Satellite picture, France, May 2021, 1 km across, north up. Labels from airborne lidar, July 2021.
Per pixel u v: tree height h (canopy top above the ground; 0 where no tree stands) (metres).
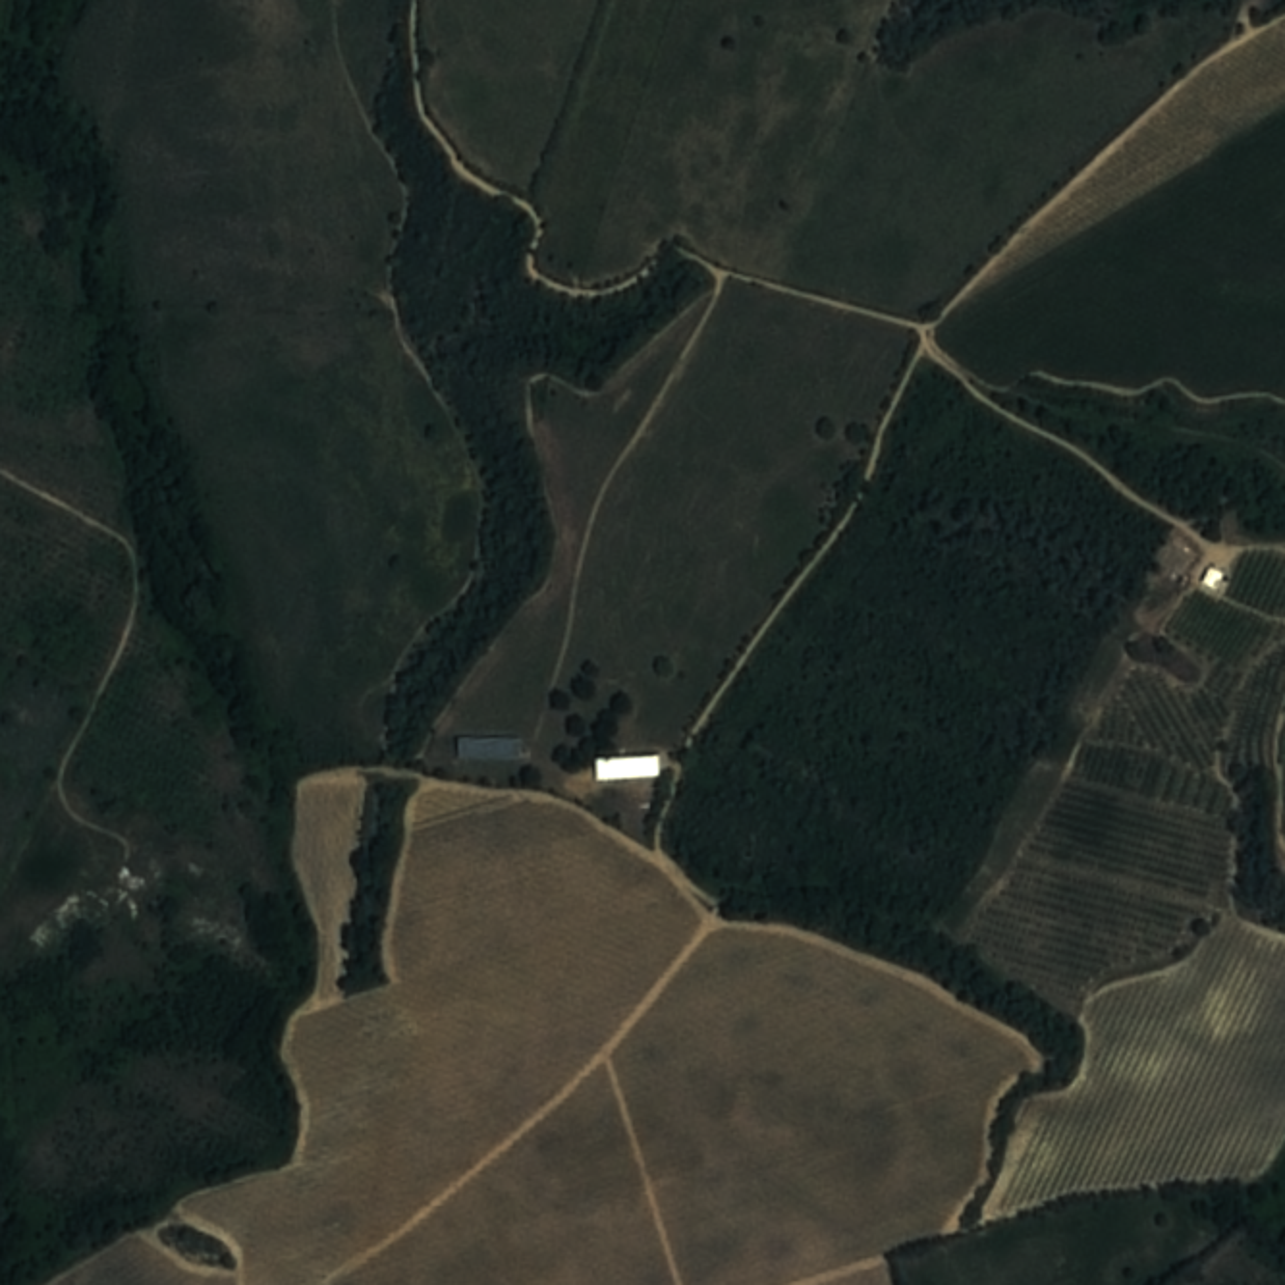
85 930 10
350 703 0
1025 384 8
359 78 0
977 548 16
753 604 0
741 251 0
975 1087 0
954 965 12
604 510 0
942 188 0
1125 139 0
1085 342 0
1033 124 0
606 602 0
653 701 0
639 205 0
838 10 0
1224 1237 12
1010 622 6
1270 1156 0
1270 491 12
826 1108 0
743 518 0
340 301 0
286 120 0
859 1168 0
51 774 7
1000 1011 9
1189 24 0
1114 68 0
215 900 0
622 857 0
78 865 0
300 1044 0
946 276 0
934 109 0
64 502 0
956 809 9
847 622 6
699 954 0
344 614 0
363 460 0
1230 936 0
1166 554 0
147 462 15
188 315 0
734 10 0
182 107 0
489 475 10
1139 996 0
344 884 0
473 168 8
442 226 6
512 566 5
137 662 6
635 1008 0
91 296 15
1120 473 10
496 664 0
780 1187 0
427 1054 0
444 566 0
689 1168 0
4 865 0
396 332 0
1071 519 8
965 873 9
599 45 0
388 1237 0
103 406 10
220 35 0
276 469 0
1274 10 6
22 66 8
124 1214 6
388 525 0
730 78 0
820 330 0
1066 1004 0
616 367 13
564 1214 0
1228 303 0
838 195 0
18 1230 12
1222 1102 0
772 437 0
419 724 9
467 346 10
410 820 0
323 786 0
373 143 0
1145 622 0
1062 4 11
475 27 0
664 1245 0
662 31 0
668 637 0
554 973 0
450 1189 0
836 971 0
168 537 16
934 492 10
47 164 17
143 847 0
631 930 0
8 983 6
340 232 0
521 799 0
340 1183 0
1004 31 0
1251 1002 0
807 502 0
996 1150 6
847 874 11
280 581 0
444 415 0
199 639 15
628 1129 0
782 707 7
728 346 0
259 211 0
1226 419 0
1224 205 0
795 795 7
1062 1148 0
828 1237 0
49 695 0
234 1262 11
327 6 0
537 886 0
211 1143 6
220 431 0
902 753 7
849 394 0
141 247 0
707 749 10
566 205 0
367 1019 0
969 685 6
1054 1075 14
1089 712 0
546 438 0
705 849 7
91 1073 8
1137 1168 0
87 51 0
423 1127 0
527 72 0
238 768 0
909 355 8
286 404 0
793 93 0
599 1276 0
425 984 0
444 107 0
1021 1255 0
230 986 7
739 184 0
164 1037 7
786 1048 0
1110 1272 0
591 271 0
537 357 13
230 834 0
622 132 0
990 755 12
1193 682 0
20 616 5
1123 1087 0
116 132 0
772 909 13
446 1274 0
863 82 0
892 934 11
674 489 0
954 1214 0
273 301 0
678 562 0
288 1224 0
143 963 0
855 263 0
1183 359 0
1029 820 0
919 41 16
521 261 9
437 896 0
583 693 15
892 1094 0
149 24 0
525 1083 0
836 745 7
